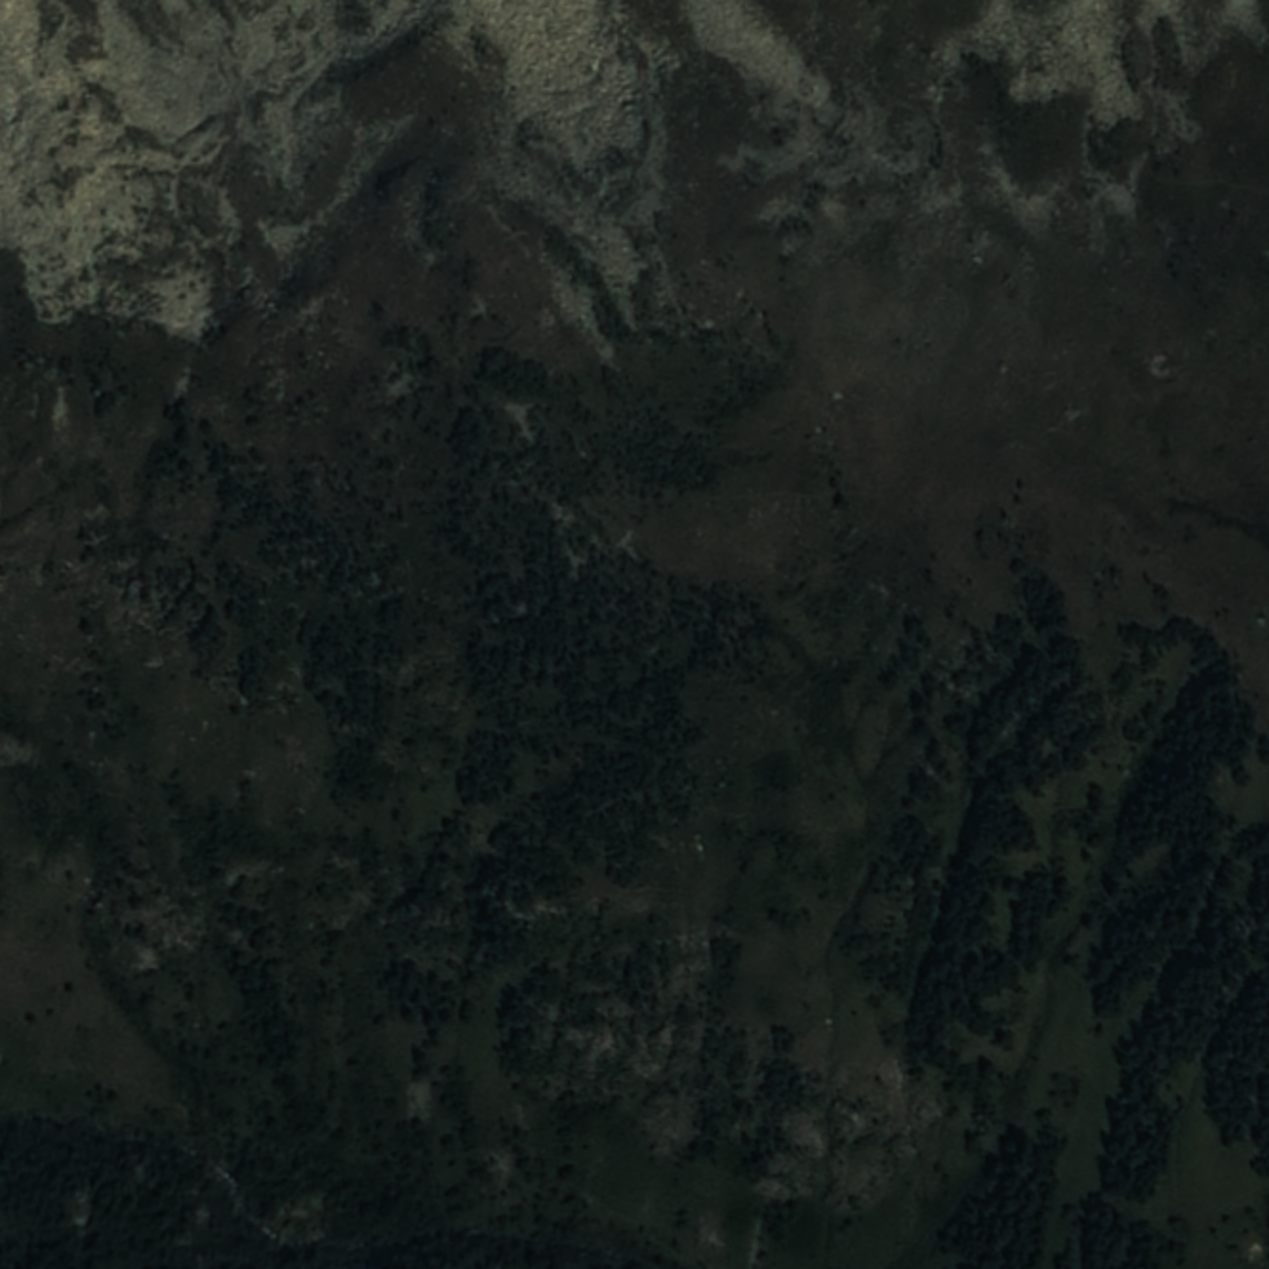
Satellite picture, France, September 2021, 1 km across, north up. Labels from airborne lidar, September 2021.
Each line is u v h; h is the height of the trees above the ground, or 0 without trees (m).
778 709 0
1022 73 0
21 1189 6
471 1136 11
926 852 18
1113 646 0
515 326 0
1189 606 0
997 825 20
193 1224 9
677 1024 6
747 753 0
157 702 0
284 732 0
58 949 0
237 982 14
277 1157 7
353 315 0
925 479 0
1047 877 10
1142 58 0
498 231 0
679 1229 10
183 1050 12
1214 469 0
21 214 0
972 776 16
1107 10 0
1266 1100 31
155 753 0
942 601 0
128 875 11
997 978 28
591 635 7
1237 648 0
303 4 0
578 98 0
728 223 0
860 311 0
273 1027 11
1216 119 0
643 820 7
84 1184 7
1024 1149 25
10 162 0
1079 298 0
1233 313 0
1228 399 0
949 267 0
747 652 8
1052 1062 0
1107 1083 0
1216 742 15
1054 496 0
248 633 12
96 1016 0
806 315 0
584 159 0
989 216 0
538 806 14
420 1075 10
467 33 0
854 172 0
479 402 7
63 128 0
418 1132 12
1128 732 11
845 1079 0
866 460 0
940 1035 22
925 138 0
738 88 0
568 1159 14
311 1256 10
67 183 0
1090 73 0
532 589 7
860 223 0
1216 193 0
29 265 0
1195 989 22
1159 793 18
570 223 0
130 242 0
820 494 0
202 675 8
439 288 0
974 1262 16
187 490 7
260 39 0
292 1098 7
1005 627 13
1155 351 0
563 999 11
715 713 0
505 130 0
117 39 0
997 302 0
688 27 0
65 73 0
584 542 9
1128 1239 11
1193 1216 0
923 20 0
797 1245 0
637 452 8
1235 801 0
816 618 8
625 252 0
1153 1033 17
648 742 10
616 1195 0
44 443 0
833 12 0
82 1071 0
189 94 0
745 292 0
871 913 0
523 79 0
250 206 0
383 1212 10
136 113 0
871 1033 0
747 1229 0
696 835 0
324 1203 13
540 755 11
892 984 11
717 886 0
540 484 6
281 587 9
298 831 7
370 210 0
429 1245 7
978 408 0
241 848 9
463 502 6
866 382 0
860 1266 0
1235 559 0
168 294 0
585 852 10
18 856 0
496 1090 0
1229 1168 0
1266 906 21
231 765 0
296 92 0
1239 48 0
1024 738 7
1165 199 0
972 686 9
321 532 7
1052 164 0
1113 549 0
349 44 0
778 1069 13
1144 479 0
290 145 0
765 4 0
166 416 8
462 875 16
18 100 0
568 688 12
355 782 14
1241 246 0
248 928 11
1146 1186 23
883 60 0
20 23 0
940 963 18
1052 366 0
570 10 0
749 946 0
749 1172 14
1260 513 0
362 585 12
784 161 0
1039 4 0
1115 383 0
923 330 0
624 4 0
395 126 0
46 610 0
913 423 0
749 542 0
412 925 7
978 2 0
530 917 7
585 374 0
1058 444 0
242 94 0
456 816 10
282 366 0
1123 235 0
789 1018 0
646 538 0
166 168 0
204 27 0
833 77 0
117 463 0
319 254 0
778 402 0
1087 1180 0
